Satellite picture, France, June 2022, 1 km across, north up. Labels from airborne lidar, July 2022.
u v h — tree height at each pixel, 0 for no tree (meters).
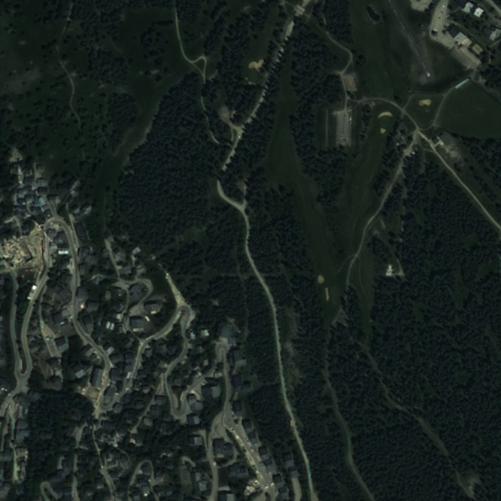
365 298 0
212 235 23
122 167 0
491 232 15
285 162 0
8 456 0
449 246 22
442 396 27
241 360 0
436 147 0
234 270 16
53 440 14
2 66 0
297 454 22
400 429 27
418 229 28
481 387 23
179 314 0
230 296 18
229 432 11
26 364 0
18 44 0
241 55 16
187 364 0
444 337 18
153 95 0
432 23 0
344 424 0
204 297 16
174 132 20
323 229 0
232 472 0
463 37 0
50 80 0
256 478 7
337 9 21
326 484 22
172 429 22
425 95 0
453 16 12
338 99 23
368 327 0
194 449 0
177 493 14
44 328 0
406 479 25
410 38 0
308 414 20
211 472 0
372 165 0
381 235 0
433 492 24
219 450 0
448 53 0
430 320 30
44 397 11
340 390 23
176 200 26
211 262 16
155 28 11
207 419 15
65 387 17
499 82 21
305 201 0
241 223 8
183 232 18
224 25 22
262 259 21
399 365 28
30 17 0
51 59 0
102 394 0
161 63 22
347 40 17
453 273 26
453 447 27
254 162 30
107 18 16
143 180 19
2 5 9
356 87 0
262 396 15
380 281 6
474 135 0
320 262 0
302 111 7
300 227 9
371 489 14
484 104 0
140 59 0
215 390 0
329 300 0
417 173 18
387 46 0
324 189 5
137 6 18
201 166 10
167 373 0
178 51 0
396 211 23
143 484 0
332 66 8
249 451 0
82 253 0
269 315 13
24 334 0
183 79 0
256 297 18
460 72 0
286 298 10
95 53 18
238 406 0
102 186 0
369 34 0
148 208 21
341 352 7
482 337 27
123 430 0
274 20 0
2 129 16
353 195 0
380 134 0
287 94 0
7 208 8
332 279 0
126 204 17
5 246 0
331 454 16
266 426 20
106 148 17
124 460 0
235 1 0
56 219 0
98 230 7
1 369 0
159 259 9
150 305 0
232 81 23
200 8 20
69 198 7
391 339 27
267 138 22
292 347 0
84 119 9
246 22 19
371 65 0
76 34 0
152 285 0
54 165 0
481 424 29
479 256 24
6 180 9
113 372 0
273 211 8
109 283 13
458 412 22
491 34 0
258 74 0
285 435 15
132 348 14
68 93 0
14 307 0
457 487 6
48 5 15
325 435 17
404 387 8
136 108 17
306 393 17
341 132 0
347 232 0
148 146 14
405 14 0
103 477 15
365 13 0
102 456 10
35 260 0
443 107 0
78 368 0
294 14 0
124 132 18
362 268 0
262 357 16
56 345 0
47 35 0
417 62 0
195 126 20
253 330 16
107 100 12
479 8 0
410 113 0
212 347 8
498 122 0
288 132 0
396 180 0
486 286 17
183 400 0
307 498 8
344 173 9
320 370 11
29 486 17
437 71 0
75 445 7
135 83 0
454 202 21
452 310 24
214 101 30
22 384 0
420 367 26
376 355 28
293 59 0
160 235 19
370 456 11
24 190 0
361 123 0
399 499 14
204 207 15
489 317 27
